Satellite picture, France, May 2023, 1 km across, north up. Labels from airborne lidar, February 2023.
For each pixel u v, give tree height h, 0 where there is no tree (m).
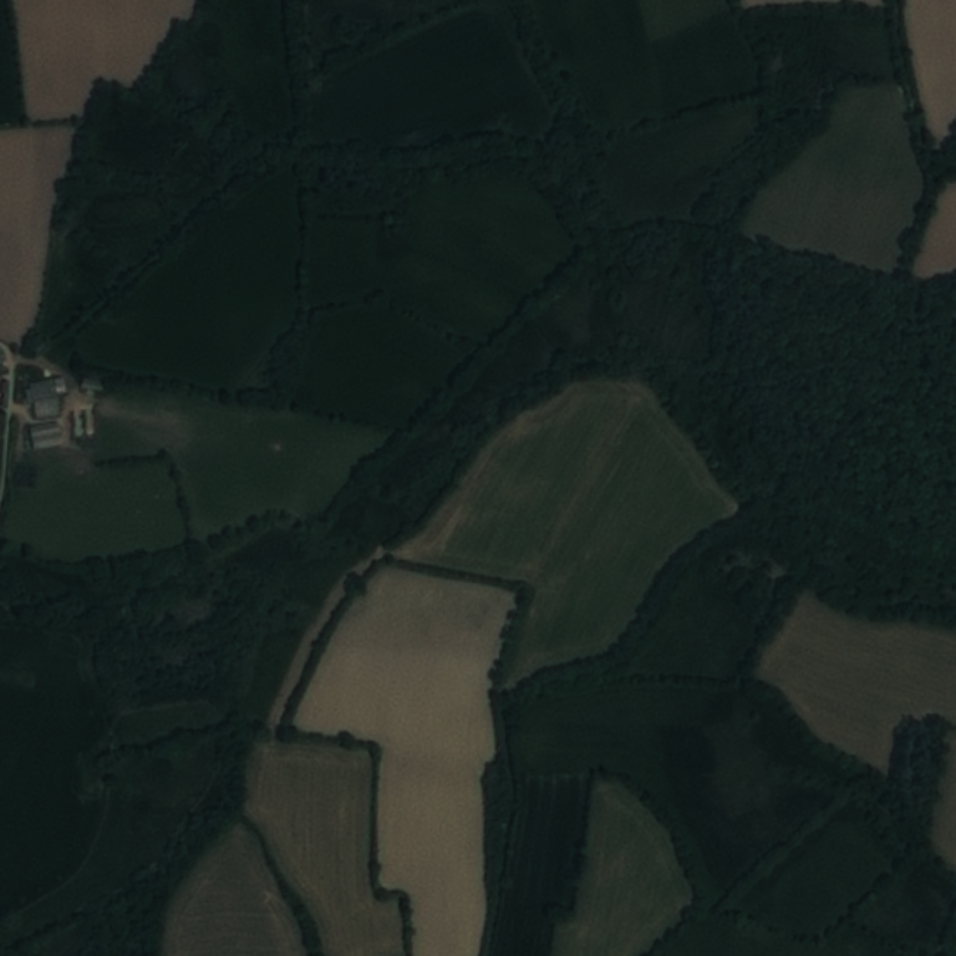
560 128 17
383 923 0
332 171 21
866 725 0
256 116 0
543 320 0
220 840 10
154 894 16
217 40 0
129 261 0
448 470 7
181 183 0
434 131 0
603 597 0
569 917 11
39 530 0
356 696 0
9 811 0
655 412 0
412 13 0
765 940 0
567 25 0
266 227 0
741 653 0
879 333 19
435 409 17
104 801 0
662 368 8
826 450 19
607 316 0
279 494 0
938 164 18
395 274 0
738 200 8
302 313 9
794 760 0
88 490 0
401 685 0
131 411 0
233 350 0
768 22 8
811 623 0
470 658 0
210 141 8
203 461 0
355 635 0
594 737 0
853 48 0
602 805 0
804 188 0
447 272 0
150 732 0
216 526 0
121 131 0
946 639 0
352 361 0
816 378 16
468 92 0
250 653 12
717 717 0
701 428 6
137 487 0
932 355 20
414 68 0
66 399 0
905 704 0
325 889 0
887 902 0
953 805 0
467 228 0
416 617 0
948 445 23
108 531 0
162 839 0
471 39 0
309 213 16
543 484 0
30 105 0
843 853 0
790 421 17
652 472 0
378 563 7
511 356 0
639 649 19
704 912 14
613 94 0
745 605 14
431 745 0
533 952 0
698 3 0
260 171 12
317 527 6
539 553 0
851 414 23
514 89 0
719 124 0
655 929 0
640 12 0
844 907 0
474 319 0
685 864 15
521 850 0
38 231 0
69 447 0
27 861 0
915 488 21
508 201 0
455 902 0
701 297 0
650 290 0
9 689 0
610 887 0
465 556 0
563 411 0
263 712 0
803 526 14
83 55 0
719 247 19
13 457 0
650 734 0
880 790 14
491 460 0
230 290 0
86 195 9
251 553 0
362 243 0
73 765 0
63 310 0
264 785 0
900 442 22
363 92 0
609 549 0
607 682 14
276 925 0
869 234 0
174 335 0
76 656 0
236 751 15
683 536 0
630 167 0
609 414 0
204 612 0
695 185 0
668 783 0
